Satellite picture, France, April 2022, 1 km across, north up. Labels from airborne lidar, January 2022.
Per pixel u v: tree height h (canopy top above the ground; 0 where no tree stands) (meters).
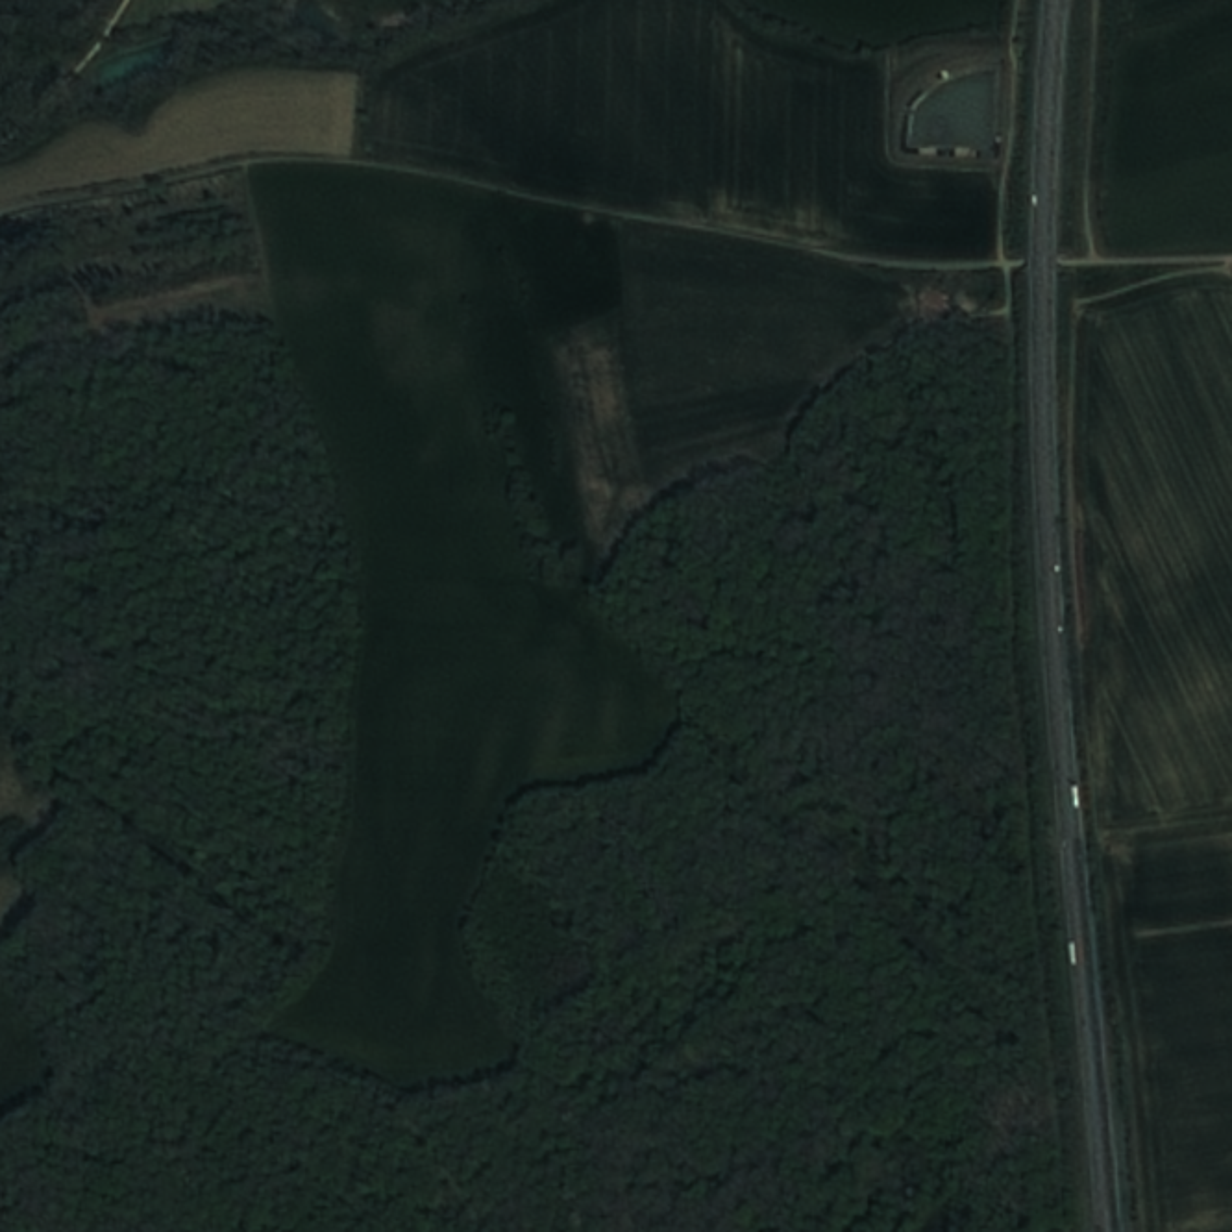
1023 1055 25
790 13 0
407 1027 0
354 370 0
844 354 0
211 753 19
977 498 25
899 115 0
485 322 0
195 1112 8
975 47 0
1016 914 25
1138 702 0
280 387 20
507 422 9
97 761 22
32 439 26
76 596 27
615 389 0
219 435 23
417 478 0
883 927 26
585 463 0
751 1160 28
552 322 0
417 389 0
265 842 20
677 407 0
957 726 35
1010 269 0
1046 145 0
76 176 0
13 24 20
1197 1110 0
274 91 0
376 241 0
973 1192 27
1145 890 0
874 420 20
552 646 0
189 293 0
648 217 0
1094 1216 0
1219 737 0
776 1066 28
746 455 0
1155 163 0
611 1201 25
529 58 0
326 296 0
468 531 0
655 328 0
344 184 0
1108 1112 0
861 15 0
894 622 28
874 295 0
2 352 27
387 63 12
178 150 0
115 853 27
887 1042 25
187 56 25
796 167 0
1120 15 0
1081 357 0
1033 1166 22
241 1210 21
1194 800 0
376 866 0
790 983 25
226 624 24
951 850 28
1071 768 0
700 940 25
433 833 0
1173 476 0
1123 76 0
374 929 0
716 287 0
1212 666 0
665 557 25
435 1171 21
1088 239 0
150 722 20
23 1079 0
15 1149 22
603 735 0
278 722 21
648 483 0
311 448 25
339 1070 8
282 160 0
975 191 0
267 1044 11
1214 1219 0
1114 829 0
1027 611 7
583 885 23
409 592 0
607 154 0
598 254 0
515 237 0
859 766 32
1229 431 0
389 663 0
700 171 0
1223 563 0
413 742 0
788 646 20
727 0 9
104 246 0
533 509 17
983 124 0
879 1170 29
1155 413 0
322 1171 22
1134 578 0
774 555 23
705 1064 28
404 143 0
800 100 0
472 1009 0
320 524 28
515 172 0
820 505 20
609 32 0
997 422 21
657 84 0
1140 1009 0
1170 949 0
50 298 20
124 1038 20
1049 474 0
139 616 24
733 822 26
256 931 23
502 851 18
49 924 29
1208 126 0
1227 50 0
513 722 0
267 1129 16
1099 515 0
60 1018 17
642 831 22
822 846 28
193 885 23
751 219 0
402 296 0
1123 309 0
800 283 0
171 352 23
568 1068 22
